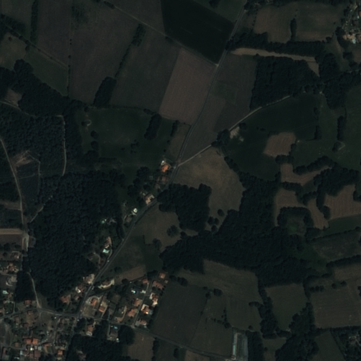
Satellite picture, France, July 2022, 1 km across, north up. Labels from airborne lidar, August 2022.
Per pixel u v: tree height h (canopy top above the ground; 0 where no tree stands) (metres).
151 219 0
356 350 14
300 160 0
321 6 0
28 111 13
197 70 0
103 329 22
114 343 18
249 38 12
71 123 23
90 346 17
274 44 10
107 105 13
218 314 0
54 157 22
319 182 14
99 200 22
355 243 0
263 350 16
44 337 13
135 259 0
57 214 19
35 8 7
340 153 0
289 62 20
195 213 11
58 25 0
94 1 0
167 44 0
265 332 21
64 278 15
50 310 0
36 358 0
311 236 15
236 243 12
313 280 22
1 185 12
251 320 0
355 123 0
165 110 0
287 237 18
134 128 0
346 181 14
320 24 0
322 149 0
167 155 0
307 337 13
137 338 0
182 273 0
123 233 19
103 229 10
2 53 0
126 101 0
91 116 0
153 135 18
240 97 0
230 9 0
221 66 0
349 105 0
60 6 0
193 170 0
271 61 9
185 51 0
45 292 23
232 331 0
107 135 0
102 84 11
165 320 0
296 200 0
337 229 0
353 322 0
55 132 21
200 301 0
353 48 0
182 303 0
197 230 17
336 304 0
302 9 0
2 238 0
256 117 0
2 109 7
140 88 0
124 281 12
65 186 21
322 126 0
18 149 17
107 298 8
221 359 0
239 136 0
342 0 12
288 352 19
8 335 0
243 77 0
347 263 15
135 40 6
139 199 13
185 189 19
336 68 24
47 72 0
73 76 0
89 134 0
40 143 23
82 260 22
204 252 18
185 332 0
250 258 14
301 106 0
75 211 22
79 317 0
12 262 8
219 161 0
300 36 0
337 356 0
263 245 22
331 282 0
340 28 15
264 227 6
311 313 18
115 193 23
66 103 17
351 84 21
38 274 18
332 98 17
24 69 17
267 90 14
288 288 0
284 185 15
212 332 0
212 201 0
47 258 20
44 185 14
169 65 0
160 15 0
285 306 0
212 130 0
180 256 12
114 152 0
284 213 18
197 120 0
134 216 10
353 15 6
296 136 0
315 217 0
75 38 0
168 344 0
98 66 0
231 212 17
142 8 0
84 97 0
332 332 16
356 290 0
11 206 0
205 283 0
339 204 0
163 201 16
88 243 20
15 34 14
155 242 20
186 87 0
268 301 18
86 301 0
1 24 20
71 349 20
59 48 0
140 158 0
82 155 18
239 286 0
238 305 0
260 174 0
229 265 16
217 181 0
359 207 0
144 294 0
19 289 18
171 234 23
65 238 19
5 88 10
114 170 7
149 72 0
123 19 0
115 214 24
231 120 0
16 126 12
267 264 20
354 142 0
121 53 0
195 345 0
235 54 0
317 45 18
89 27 0
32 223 10
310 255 0
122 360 21
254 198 21
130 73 0
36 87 19
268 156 0
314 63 0
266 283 12
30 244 0
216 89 0
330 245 0
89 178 27
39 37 0
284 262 22
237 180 0
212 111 0
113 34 0
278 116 0
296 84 16
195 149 0
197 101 0
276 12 0
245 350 0
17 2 0
